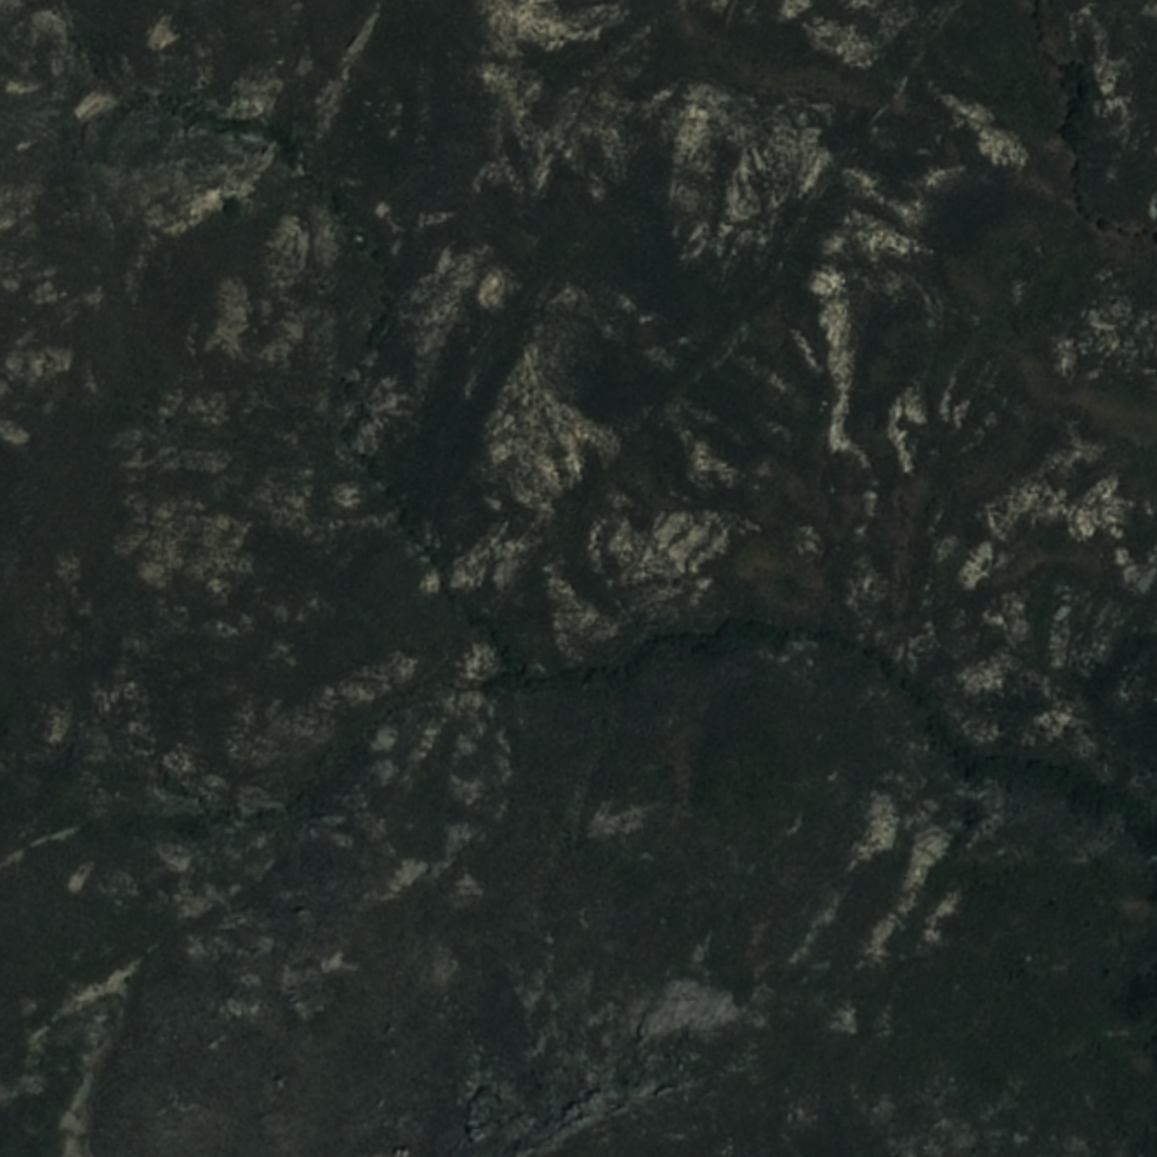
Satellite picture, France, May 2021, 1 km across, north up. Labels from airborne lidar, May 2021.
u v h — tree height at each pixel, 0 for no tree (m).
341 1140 0
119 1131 0
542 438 0
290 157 6
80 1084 0
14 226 0
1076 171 10
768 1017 0
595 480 0
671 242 0
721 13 0
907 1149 0
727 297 0
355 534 0
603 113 0
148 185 0
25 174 0
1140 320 0
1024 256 0
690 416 0
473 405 0
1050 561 0
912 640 0
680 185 0
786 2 0
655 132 0
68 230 0
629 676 14
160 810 0
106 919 0
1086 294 0
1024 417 0
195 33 0
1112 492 0
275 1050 0
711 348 0
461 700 0
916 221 0
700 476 0
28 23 0
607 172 0
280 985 0
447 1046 0
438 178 0
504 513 0
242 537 0
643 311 0
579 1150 0
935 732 14
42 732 0
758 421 0
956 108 0
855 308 0
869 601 0
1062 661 0
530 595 0
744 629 14
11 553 0
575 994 0
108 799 0
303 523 0
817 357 0
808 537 0
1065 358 0
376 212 0
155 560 0
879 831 0
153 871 0
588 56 0
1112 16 0
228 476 0
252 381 0
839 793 0
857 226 0
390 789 0
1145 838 7
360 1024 0
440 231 0
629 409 0
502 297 0
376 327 12
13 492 0
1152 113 0
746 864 0
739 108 0
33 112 0
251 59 0
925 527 0
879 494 0
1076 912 6
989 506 0
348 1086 0
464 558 0
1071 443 0
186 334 0
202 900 0
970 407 0
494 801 0
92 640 0
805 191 0
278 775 0
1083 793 12
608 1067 0
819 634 10
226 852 0
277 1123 0
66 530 0
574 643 0
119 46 0
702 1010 0
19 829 0
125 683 0
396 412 0
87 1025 0
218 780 0
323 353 0
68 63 0
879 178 0
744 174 0
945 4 0
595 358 0
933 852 0
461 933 0
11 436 0
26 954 0
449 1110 0
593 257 0
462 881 0
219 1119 0
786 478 0
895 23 0
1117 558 0
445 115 0
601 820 0
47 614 0
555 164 0
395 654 0
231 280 0
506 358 0
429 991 0
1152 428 0
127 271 0
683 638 11
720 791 0
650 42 0
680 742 0
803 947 0
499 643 10
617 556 0
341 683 0
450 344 0
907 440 0
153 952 0
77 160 0
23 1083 0
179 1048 0
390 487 10
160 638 0
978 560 0
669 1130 0
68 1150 0
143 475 0
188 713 0
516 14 0
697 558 0
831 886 0
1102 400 0
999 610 0
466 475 0
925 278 0
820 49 0
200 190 0
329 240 0
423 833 0
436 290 0
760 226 0
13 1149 0
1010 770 13
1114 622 0
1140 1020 9
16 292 0
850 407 0
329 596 0
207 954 0
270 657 0
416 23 0
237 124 10
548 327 0
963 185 0
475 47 0
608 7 0
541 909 0
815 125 0
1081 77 12
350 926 0
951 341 0
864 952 0
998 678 0
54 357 0
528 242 0
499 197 0
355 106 0
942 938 0
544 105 0
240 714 0
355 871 0
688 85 0
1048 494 0
